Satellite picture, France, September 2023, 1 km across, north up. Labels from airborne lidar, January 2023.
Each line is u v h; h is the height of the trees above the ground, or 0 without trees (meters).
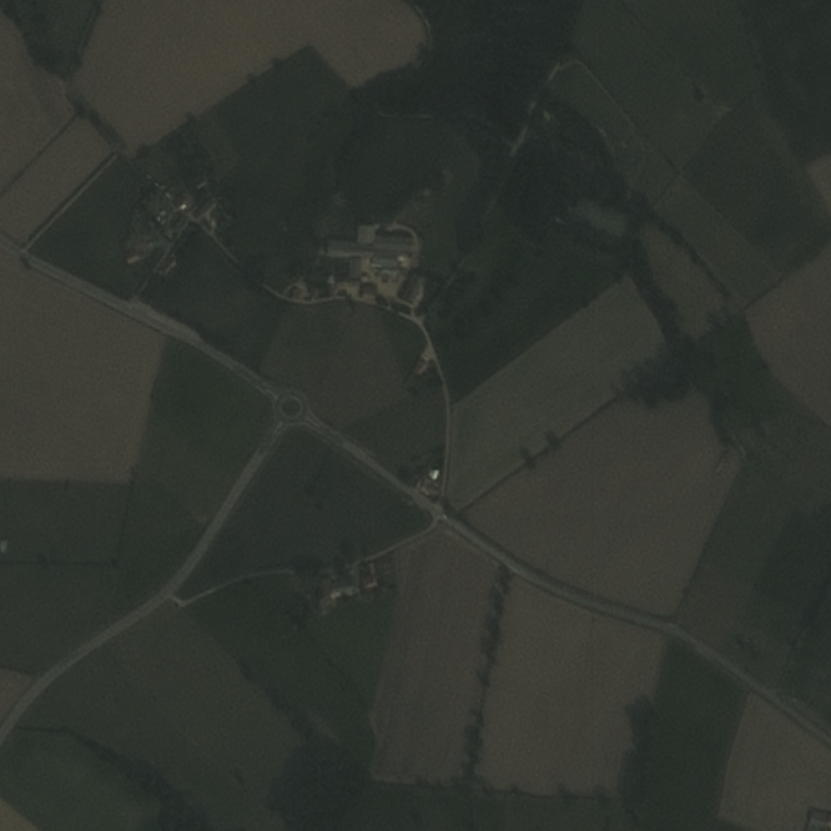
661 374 26
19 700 0
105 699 0
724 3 0
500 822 0
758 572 0
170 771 0
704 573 0
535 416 0
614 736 0
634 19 0
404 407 0
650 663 0
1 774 0
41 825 0
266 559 0
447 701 0
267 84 0
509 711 0
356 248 0
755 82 0
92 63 0
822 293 0
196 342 0
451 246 0
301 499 0
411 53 0
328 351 0
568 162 19
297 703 0
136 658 0
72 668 0
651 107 0
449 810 0
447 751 0
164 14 0
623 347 0
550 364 0
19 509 0
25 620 0
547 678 0
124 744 0
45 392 0
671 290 0
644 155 0
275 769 0
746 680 0
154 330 0
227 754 0
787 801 0
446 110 14
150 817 0
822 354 0
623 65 0
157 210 0
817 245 0
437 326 0
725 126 0
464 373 0
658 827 0
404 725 0
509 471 0
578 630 0
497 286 0
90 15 0
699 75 0
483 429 0
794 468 0
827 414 0
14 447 0
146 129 0
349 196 0
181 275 0
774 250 0
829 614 0
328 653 0
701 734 0
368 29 0
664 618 0
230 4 0
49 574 0
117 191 0
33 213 0
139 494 0
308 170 0
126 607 0
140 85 0
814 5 0
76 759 0
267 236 0
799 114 0
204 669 0
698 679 0
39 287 0
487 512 0
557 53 18
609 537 0
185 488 0
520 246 0
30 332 0
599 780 0
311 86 0
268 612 0
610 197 24
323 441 0
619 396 22
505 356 0
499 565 0
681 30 0
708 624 0
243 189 0
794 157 0
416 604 0
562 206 13
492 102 10
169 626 0
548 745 0
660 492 0
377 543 0
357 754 0
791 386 0
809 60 0
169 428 0
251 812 0
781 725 0
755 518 0
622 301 0
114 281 0
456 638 0
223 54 0
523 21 21
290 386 0
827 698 0
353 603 0
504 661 0
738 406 0
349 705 0
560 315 0
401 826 0
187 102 0
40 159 0
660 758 0
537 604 0
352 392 0
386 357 0
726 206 0
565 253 0
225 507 0
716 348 0
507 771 0
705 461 0
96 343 0
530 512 0
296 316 0
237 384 0
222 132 0
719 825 0
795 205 0
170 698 0
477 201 21
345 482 0
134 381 0
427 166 0
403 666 0
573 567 0
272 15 0
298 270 9
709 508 0
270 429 0
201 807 0
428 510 0
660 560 0
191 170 7
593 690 0
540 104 12
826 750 0
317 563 15
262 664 0
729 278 0
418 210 0
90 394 0
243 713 0
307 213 0
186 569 0
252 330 0
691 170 0
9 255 0
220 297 0
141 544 0
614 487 0
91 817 0
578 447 0
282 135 0
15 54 0
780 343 0
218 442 0
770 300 0
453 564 0
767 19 0
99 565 0
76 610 0
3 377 0
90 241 0
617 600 0
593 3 0
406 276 6
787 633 0
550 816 0
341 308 0
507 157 24
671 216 0
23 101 0
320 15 0
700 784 0
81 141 0
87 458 0
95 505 0
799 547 0
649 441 0
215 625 0
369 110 14
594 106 0
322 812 25
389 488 0
